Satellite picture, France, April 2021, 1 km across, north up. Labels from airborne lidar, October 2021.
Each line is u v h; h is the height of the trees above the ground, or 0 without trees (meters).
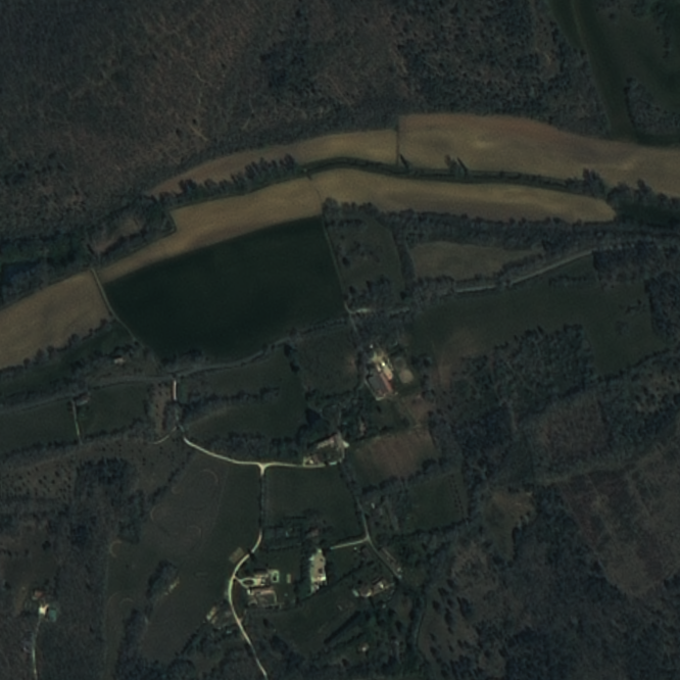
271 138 17
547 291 0
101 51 9
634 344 0
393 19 9
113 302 0
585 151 0
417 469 0
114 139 12
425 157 0
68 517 13
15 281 20
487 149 0
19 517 11
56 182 11
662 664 14
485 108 11
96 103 14
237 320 0
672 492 0
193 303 0
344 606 0
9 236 9
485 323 0
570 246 15
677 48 0
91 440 10
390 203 0
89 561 13
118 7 14
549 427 6
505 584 14
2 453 0
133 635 16
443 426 15
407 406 0
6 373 12
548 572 13
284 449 15
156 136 9
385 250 0
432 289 16
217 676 7
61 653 16
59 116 11
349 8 13
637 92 10
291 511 0
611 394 18
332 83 9
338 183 0
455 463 17
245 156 0
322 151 0
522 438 6
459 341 0
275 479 0
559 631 14
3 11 12
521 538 10
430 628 0
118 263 0
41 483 6
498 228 7
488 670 0
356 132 17
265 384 0
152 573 0
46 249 30
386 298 15
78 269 22
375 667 18
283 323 0
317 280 0
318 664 8
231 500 0
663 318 14
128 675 12
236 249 0
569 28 0
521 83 7
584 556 16
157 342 0
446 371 0
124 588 0
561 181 0
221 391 0
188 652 9
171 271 0
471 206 0
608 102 0
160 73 9
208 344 0
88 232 9
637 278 12
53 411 0
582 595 12
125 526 10
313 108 7
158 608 0
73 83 12
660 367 7
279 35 13
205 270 0
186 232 0
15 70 12
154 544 0
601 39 0
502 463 6
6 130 13
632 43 0
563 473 11
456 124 0
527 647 23
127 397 0
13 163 10
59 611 15
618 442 17
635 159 0
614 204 20
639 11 9
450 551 8
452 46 8
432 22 12
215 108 12
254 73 11
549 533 8
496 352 8
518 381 10
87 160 9
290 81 10
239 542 0
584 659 13
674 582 7
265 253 0
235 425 0
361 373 11
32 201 10
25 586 0
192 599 0
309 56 7
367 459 0
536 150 0
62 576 13
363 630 7
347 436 13
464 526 8
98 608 16
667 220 0
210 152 15
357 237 0
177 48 8
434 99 12
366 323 13
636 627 14
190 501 0
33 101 12
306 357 7
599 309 0
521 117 15
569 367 12
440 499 0
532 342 10
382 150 0
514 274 15
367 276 0
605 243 18
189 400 7
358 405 6
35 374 0
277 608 8
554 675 23
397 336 20
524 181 9
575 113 10
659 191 0
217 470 0
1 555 15
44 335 0
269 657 12
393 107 16
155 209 24
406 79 7
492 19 9
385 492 16
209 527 0
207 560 0
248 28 12
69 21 14
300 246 0
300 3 10
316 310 0
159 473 0
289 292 0
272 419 0
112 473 9
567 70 9
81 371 15
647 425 9
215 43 9
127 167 11
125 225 22
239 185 22
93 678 17
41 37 10
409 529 0
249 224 0
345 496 0
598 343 0
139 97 11
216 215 0
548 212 0
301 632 0
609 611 14
